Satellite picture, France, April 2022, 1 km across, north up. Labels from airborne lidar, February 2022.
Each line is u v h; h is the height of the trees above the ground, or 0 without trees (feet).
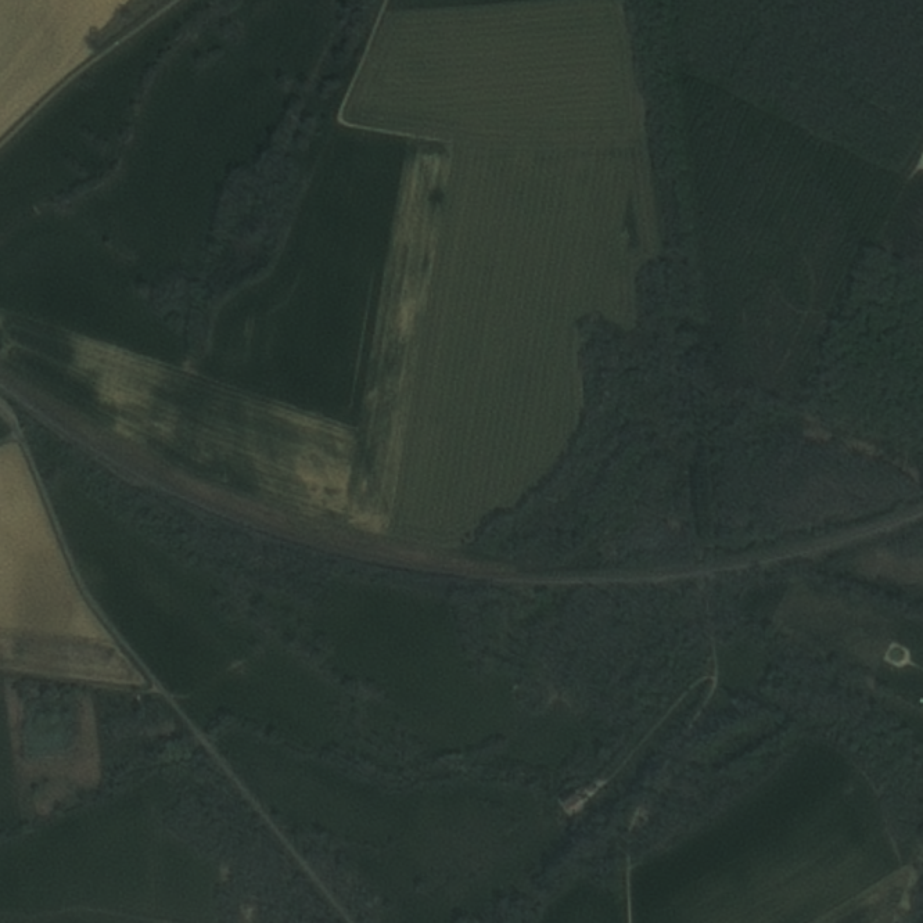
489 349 0
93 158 0
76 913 0
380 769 47
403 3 0
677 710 0
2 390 0
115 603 0
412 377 0
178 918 0
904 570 0
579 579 0
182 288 84
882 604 30
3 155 0
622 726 83
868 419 101
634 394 34
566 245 0
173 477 0
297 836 20
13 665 0
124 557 0
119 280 0
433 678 0
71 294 0
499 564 0
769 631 60
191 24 60
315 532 0
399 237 0
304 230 0
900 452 0
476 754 56
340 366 0
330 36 0
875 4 69
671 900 0
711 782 60
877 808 0
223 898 37
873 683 0
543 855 0
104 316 0
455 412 0
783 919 0
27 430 31
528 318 0
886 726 70
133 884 0
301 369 0
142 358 0
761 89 64
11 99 0
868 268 88
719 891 0
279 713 0
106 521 0
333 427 0
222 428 0
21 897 0
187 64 0
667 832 79
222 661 0
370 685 43
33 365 0
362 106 0
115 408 0
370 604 0
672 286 79
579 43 0
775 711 72
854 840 0
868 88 59
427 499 0
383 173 0
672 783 105
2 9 0
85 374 0
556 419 0
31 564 0
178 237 0
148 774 0
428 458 0
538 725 0
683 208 60
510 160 0
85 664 0
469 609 89
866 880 0
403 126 0
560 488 88
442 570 0
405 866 0
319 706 0
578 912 0
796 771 0
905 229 0
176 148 0
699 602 52
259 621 70
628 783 0
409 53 0
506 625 90
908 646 0
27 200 0
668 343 71
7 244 0
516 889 0
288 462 0
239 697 0
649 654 79
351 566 0
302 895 63
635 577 0
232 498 0
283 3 0
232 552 35
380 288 0
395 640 0
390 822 0
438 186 0
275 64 0
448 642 0
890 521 0
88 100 0
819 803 0
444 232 0
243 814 55
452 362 0
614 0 0
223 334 0
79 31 0
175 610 0
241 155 0
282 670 0
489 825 0
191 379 0
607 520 94
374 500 0
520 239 0
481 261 0
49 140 0
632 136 0
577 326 0
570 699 0
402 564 0
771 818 0
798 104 66
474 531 0
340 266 0
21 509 0
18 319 0
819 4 62
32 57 0
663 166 41
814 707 78
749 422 100
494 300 0
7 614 0
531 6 0
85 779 0
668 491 27
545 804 0
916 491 79
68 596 0
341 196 0
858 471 97
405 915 0
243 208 35
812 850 0
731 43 50
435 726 0
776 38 61
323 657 61
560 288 0
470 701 0
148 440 0
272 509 0
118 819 0
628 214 0
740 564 0
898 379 87
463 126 0
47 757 0
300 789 0
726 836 0
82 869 0
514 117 0
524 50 0
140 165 0
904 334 80
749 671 0
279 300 0
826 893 0
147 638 0
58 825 0
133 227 0
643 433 91
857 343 89
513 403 0
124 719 64
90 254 0
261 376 0
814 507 85
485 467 0
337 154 0
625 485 97
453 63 0
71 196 25
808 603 0
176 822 20
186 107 0
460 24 0
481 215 0
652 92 77
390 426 0
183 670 0
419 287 0
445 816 0
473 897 0
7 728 0
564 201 0
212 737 51
